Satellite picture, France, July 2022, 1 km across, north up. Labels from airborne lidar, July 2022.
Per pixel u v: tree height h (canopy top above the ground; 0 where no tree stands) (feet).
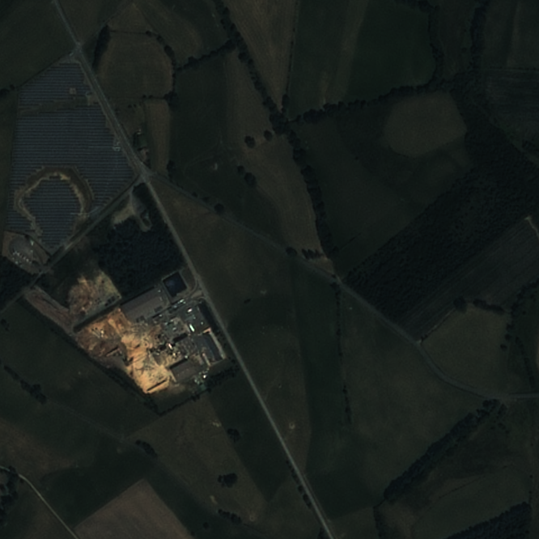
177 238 0
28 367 0
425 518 0
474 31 57
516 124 0
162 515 0
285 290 0
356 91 0
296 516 0
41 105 0
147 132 0
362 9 0
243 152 0
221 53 26
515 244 0
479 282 0
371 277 26
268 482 0
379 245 0
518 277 0
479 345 0
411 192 0
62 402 0
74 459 0
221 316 0
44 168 0
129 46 0
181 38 0
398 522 0
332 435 0
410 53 0
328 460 0
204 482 0
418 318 0
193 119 0
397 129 0
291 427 0
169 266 64
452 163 0
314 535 0
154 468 0
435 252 21
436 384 0
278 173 0
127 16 0
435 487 0
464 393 0
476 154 26
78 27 0
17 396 0
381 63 0
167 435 0
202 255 0
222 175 0
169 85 0
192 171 0
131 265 49
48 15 0
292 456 0
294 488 0
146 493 0
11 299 35
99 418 0
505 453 0
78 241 0
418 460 0
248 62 25
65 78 0
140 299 0
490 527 38
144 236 48
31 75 0
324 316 0
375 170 0
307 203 0
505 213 18
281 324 0
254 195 0
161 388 0
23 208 0
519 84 0
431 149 0
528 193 25
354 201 0
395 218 0
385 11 0
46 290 21
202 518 0
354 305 0
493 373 0
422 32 0
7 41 0
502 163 25
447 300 0
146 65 0
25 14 0
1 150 0
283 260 0
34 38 0
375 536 0
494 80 0
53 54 0
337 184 0
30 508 0
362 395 0
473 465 0
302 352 0
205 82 0
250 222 0
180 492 0
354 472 0
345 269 0
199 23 0
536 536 0
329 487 0
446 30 0
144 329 0
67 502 0
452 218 29
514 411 0
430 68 0
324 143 0
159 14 0
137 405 0
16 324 0
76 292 0
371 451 0
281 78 0
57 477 0
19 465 0
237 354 0
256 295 0
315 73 0
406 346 0
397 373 0
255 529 0
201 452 0
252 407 0
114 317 0
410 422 0
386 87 0
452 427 0
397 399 0
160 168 0
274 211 0
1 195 0
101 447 0
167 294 0
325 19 0
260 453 0
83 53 0
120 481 0
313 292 0
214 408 0
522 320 0
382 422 0
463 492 0
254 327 0
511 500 0
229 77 0
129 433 0
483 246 25
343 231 0
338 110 38
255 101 0
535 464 0
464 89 21
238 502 0
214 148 0
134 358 0
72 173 0
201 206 0
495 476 0
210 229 0
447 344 0
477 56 36
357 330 0
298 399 0
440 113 0
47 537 0
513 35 0
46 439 0
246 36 0
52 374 0
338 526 0
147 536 0
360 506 0
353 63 0
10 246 0
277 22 0
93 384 0
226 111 0
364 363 0
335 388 0
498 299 0
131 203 0
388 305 26
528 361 20
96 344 0
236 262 0
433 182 0
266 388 0
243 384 0
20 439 0
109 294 0
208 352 0
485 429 0
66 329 0
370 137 0
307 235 0
